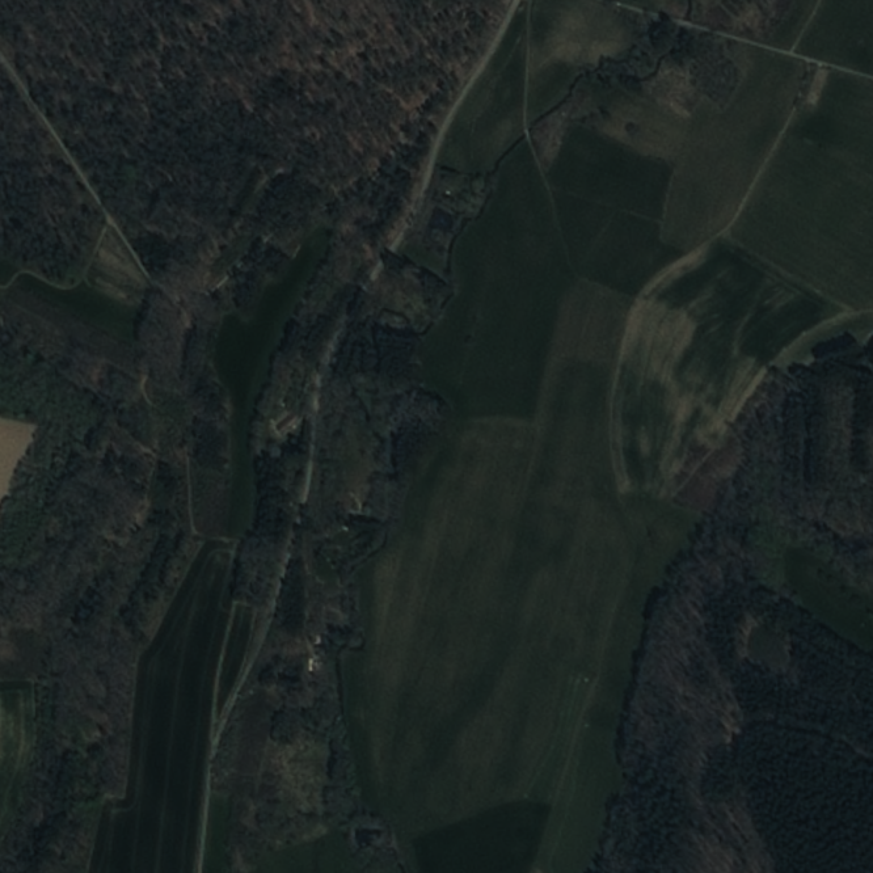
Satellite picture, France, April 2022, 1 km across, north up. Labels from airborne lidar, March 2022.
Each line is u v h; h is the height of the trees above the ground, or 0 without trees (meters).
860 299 0
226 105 26
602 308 0
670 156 0
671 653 20
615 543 0
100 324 0
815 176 0
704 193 0
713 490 0
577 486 0
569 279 0
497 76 0
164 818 0
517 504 0
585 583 0
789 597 9
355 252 30
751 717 27
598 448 0
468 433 0
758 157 0
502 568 0
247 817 0
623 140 0
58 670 23
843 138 0
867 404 9
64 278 22
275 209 28
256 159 29
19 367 11
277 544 17
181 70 23
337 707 9
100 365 25
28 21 29
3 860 19
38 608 26
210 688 0
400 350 29
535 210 0
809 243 0
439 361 0
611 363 0
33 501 11
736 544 25
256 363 0
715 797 24
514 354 0
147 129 22
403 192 30
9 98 31
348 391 22
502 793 0
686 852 21
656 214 0
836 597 0
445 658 0
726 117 0
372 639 0
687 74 0
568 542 0
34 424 10
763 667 0
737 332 0
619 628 0
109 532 28
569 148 0
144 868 0
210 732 0
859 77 0
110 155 26
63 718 23
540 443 0
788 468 25
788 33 0
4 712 0
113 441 27
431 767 0
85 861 6
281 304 0
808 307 0
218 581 0
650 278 0
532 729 0
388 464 20
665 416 0
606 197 0
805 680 14
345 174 27
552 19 0
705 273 0
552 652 0
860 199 0
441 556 0
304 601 15
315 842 0
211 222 25
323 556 17
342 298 16
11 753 0
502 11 15
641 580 0
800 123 0
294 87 8
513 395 0
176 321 26
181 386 19
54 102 28
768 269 0
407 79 32
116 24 27
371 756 0
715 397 0
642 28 10
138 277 0
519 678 0
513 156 0
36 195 32
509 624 0
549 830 0
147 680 0
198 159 21
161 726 0
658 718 25
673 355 0
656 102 0
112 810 0
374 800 0
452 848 0
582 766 0
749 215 0
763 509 26
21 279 0
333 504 9
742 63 0
